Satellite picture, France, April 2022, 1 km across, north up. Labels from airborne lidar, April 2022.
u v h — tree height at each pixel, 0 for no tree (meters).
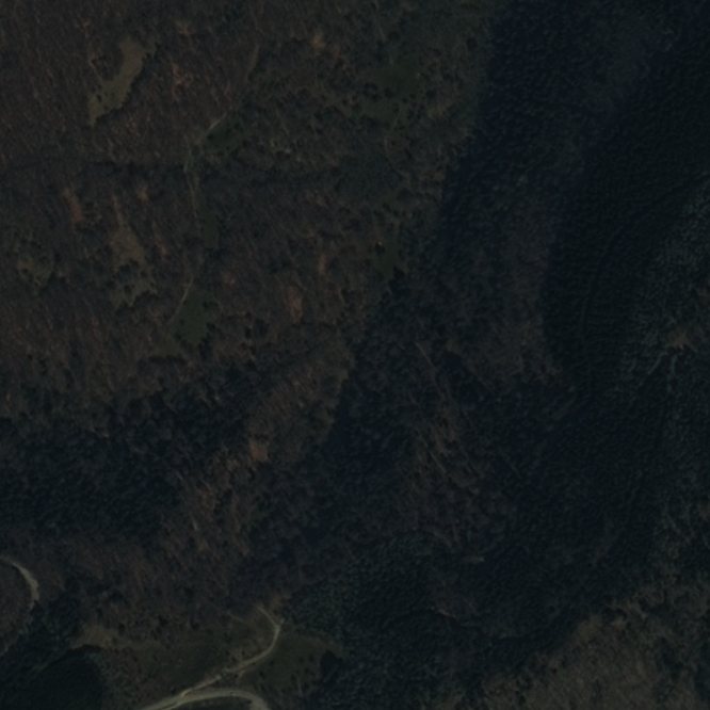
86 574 18
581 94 16
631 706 25
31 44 24
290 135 18
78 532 24
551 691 25
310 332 28
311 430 21
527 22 26
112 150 30
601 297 20
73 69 31
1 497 23
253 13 18
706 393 20
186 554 26
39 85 23
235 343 23
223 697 0
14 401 31
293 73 14
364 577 26
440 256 30
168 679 0
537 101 33
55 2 29
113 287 17
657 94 27
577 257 24
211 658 0
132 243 0
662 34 13
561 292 20
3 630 18
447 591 22
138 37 15
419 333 23
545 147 24
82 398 24
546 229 24
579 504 22
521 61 24
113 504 17
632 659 22
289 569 22
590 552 20
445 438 31
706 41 33
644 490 19
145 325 22
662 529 17
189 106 26
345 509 26
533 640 22
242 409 23
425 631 22
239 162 25
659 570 12
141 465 25
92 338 22
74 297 26
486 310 21
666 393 22
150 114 23
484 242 26
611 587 21
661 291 21
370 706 23
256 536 15
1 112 26
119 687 19
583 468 16
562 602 23
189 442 26
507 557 28
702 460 18
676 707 26
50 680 19
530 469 21
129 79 0
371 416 35
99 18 33
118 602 16
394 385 25
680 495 18
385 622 22
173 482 8
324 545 28
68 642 26
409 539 20
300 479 21
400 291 28
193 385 33
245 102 14
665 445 21
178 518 21
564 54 24
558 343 16
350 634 17
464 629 24
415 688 10
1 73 17
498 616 22
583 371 26
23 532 23
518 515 22
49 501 31
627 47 13
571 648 17
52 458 28
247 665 0
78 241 12
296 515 30
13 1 25
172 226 24
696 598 27
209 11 19
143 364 14
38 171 31
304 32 7
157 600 17
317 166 22
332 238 32
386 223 24
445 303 31
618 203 23
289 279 30
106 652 11
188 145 18
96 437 31
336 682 20
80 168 32
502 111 30
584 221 26
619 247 19
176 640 10
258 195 29
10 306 24
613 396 18
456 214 42
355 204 25
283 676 0
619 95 12
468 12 16
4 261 19
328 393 21
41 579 13
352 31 15
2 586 17
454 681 19
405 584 25
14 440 34
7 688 36
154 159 35
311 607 19
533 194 26
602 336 22
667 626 25
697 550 26
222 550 30
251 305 24
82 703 16
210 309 16
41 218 25
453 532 24
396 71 0
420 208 14
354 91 23
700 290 9
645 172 21
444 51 9
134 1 25
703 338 18
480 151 29
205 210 0
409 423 22
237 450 23
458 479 27
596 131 19
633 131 22
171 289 14
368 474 25
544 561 23
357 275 27
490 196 34
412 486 22
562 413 24
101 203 18
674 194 22
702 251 19
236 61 28
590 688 27
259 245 25
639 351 18
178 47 21
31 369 31
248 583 20
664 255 16
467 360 19
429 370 27
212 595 17
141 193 26
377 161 21
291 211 33
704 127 21
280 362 34
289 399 28
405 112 0
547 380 29
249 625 0
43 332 23
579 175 21
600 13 25
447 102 20
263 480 32
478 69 22
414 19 20
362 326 20
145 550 23
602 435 23
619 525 20
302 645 0
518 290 19
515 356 22
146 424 31
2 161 33
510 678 20
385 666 17
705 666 28
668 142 19
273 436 25
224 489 24
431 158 17
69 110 31
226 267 29
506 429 28
